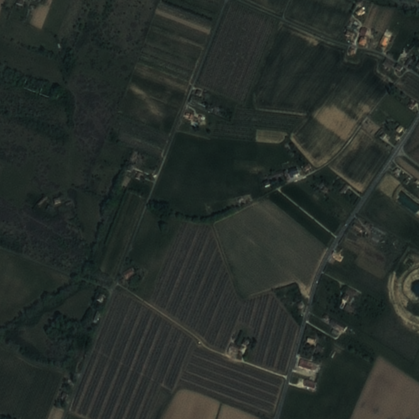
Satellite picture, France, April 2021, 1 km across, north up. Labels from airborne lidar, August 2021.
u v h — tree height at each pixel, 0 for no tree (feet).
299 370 0
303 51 0
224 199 0
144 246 0
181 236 20
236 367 22
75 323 56
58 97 30
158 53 28
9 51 0
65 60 39
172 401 0
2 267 0
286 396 0
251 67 20
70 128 21
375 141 0
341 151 0
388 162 0
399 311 0
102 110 0
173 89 0
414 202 0
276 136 0
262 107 0
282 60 0
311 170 19
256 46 19
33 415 18
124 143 19
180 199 0
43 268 0
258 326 26
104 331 23
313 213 0
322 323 0
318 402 0
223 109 38
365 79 0
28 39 0
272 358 23
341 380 0
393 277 0
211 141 0
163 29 19
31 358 22
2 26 0
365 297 28
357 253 0
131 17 0
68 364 66
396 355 0
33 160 0
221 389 19
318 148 0
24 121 24
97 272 49
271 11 0
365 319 0
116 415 25
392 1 0
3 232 25
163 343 22
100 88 0
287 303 29
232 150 0
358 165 0
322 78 0
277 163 0
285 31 0
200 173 0
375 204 0
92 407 26
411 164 0
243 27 20
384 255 0
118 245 0
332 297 19
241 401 18
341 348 0
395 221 0
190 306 23
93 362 24
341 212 0
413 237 0
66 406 71
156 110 0
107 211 68
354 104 0
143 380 26
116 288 0
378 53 0
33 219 0
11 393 18
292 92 0
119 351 25
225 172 0
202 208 0
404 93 36
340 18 0
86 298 0
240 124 18
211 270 21
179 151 0
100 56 0
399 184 0
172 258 20
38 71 0
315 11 0
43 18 0
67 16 0
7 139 0
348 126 0
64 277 0
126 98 0
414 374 0
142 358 25
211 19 21
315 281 0
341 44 0
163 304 22
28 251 23
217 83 18
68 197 0
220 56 20
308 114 0
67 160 0
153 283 0
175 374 23
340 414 0
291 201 0
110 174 0
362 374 0
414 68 26
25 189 0
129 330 23
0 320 0
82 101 0
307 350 21
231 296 20
